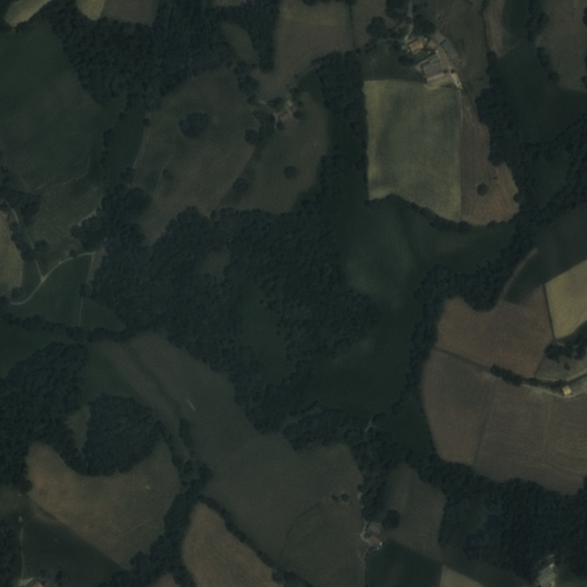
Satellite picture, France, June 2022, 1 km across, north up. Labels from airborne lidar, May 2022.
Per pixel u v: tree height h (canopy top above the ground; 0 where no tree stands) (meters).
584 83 16
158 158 0
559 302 0
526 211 22
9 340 0
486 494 13
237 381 25
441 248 0
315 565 0
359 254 0
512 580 0
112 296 12
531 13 17
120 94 19
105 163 13
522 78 0
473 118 0
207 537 0
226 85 0
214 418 0
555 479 0
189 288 18
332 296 10
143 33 28
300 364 12
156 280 18
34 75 0
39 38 0
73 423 0
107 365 0
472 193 0
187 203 0
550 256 0
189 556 0
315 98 0
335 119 0
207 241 16
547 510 20
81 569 0
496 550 24
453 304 0
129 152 0
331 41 0
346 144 0
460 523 9
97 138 0
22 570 0
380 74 0
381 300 0
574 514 22
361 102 19
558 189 0
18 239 15
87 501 0
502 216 0
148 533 0
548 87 0
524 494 20
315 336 20
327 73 22
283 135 0
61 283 0
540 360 0
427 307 14
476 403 0
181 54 14
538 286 0
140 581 24
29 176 0
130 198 21
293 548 0
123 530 0
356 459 7
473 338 0
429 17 0
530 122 0
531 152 24
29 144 0
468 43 0
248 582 0
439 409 0
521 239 17
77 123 0
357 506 0
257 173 0
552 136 0
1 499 0
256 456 0
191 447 11
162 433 19
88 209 0
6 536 16
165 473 0
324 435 14
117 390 0
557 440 0
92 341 15
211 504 15
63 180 0
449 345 0
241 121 0
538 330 0
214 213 10
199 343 19
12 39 0
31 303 0
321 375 0
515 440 0
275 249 16
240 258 18
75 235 17
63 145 0
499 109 21
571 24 0
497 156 19
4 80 0
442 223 17
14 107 0
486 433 0
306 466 0
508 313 0
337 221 7
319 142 0
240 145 0
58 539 0
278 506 0
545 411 0
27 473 8
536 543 17
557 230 0
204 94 0
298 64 0
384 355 0
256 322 0
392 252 0
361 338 20
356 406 0
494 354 0
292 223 21
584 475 0
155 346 0
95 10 0
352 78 23
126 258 15
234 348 15
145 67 21
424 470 16
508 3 0
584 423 0
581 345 11
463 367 0
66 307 0
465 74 0
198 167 0
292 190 0
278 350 0
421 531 0
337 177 20
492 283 17
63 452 9
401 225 0
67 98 0
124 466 21
